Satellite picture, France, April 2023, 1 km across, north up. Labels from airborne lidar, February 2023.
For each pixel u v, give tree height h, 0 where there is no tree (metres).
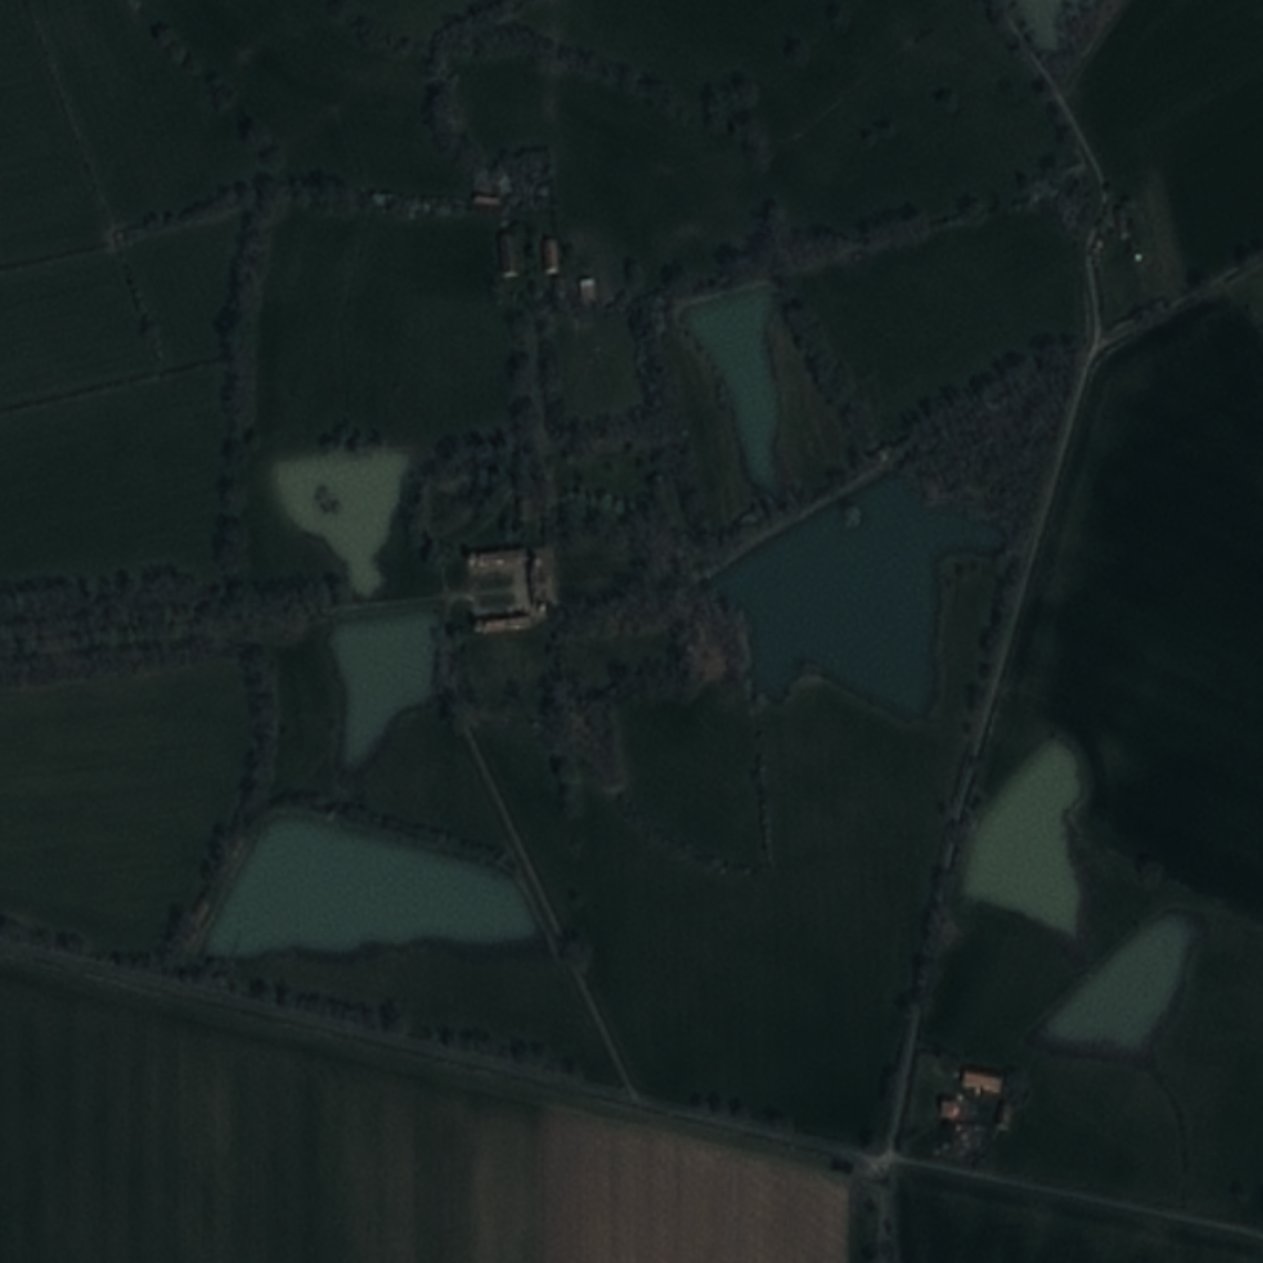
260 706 18
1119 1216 0
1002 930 0
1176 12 0
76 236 0
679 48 0
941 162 0
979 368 0
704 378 0
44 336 0
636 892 0
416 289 0
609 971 0
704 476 0
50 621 15
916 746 0
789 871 0
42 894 0
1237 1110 0
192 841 0
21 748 0
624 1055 0
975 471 19
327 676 0
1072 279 0
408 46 9
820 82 0
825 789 0
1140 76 0
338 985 0
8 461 0
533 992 0
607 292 0
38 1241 0
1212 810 0
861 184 0
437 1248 0
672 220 0
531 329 17
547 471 18
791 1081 0
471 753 0
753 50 0
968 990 0
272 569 0
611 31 0
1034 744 0
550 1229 0
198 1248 0
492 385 0
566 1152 0
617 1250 0
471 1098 0
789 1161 0
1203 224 0
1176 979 0
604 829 0
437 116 22
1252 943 0
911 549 0
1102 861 0
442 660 12
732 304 0
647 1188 0
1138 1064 0
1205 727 0
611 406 0
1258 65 0
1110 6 13
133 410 0
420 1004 0
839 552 0
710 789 0
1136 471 0
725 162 0
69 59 0
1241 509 0
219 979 6
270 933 0
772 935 0
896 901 0
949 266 0
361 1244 0
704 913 0
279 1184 0
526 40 21
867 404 16
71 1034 0
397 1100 0
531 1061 20
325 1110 0
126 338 0
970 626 0
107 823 0
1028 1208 0
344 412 0
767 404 0
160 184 0
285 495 0
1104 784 0
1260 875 0
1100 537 0
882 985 0
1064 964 0
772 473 0
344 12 17
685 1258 0
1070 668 0
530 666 0
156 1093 0
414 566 0
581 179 0
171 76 0
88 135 0
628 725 0
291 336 0
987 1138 0
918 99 0
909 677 0
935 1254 0
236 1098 0
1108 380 0
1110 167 0
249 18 0
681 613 25
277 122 0
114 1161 0
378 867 0
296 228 0
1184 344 0
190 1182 0
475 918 0
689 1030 0
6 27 0
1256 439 0
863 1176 0
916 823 0
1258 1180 0
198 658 21
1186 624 0
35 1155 0
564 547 17
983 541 0
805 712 0
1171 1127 0
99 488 0
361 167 0
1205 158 0
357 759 0
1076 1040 0
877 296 0
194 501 0
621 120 0
